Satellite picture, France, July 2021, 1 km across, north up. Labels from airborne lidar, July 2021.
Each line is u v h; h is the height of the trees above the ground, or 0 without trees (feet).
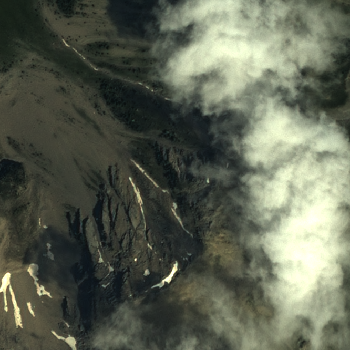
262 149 0
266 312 0
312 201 0
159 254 0
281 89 0
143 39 0
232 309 0
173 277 0
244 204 0
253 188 0
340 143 0
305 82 0
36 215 0
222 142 0
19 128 0
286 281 0
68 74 0
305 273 0
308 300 0
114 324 0
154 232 0
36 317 0
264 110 0
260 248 0
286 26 0
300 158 0
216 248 0
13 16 0
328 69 0
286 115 0
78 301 0
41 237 0
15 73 0
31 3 0
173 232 0
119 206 0
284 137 0
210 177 0
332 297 0
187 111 0
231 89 0
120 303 0
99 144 0
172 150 0
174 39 0
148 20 0
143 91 0
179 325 0
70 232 0
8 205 0
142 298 0
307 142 0
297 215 0
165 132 35
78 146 0
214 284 0
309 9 0
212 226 0
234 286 0
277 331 0
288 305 0
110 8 0
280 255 0
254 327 0
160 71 0
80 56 0
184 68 0
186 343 0
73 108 0
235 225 0
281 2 0
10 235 0
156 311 0
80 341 0
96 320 0
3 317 0
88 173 0
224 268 0
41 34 0
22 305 0
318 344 0
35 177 0
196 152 0
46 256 0
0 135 0
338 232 0
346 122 0
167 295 0
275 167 0
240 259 0
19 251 0
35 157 0
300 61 0
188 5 0
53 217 0
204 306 0
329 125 0
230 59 0
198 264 0
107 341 0
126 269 0
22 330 0
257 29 0
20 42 0
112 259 0
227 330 0
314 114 0
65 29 0
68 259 0
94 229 0
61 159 0
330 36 0
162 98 0
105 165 0
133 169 0
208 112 0
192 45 0
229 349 0
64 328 0
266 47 0
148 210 0
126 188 0
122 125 0
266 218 0
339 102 0
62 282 0
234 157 0
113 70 0
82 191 0
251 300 0
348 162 0
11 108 0
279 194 0
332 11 0
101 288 0
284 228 0
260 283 0
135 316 0
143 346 0
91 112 0
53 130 0
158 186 0
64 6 19
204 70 0
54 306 0
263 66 0
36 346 0
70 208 0
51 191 0
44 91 0
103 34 0
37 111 0
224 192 0
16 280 0
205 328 0
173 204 0
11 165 29
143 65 0
